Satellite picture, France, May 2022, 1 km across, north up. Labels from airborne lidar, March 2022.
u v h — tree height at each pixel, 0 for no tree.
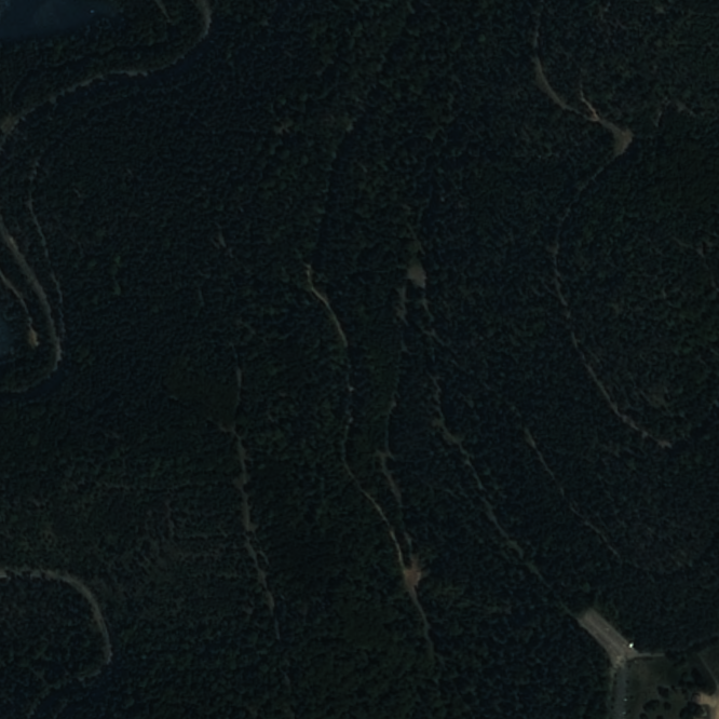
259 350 15
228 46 22
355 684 16
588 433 27
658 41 6
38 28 0
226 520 9
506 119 31
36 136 19
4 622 33
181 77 23
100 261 21
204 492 8
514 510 30
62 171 19
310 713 22
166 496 8
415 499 23
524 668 25
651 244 7
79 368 23
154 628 29
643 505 30
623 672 0
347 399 27
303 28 29
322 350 27
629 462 19
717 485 17
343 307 37
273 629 19
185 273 14
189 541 8
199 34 17
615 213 13
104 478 7
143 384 26
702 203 18
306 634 21
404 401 20
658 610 8
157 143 25
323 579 15
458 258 27
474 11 30
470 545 31
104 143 20
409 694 25
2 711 31
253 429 11
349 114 29
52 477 13
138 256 21
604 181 15
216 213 29
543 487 19
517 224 10
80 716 20
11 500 10
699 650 20
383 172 38
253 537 11
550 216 8
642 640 25
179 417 18
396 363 23
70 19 0
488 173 13
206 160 30
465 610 12
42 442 23
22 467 18
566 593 31
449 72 39
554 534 13
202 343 24
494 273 22
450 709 24
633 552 21
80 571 14
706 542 18
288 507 14
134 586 28
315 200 25
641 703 0
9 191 13
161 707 28
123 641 13
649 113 8
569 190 11
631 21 6
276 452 17
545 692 28
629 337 20
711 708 0
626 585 27
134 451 15
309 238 29
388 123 23
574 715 22
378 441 22
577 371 27
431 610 38
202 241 25
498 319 8
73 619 33
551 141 29
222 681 21
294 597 11
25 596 20
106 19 15
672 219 9
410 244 22
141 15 23
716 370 26
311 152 25
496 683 41
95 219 21
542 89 0
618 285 28
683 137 13
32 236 12
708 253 12
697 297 10
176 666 17
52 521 7
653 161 17
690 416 17
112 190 19
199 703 14
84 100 25
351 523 12
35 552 6
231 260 23
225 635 11
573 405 28
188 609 9
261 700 25
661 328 12
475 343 38
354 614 31
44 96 19
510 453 28
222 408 17
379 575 25
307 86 15
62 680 25
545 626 30
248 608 10
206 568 7
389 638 24
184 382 17
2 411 22
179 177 25
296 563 16
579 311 27
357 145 35
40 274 16
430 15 35
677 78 24
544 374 23
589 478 13
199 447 17
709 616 30
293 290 27
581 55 26
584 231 16
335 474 16
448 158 12
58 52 18
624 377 17
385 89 11
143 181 15
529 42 7
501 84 33
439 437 6
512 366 29
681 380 18
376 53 11
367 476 22
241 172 30
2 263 14
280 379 13
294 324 29
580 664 29
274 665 20
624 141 0
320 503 30
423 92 41
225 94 31
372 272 19
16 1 0
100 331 19
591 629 0
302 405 24
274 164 28
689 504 28
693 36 9
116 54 25
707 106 5
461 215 37
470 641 15
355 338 15
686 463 22
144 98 23
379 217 23
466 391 35
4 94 20
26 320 22
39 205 15
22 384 20
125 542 7
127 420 26
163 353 21
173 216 25
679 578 28
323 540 14
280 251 28
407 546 21
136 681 20
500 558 42
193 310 19
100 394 22
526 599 24
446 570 38
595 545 25
